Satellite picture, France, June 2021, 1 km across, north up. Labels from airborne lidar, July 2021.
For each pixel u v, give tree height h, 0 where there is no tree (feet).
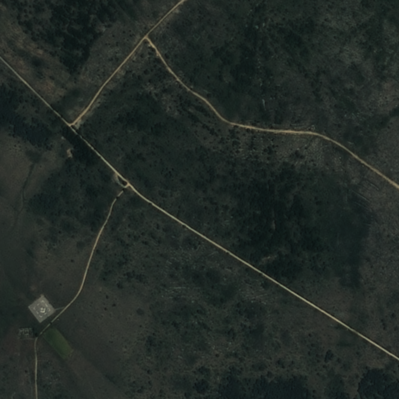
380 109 0
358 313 0
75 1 22
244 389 22
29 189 0
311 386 0
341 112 0
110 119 0
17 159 0
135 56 0
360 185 0
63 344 0
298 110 0
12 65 0
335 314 0
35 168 0
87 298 0
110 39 0
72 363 0
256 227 24
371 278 0
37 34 18
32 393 0
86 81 0
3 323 0
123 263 21
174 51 0
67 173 22
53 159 0
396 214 0
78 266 0
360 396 19
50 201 24
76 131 28
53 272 0
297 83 0
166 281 0
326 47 0
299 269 19
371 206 0
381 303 0
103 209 0
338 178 0
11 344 0
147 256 20
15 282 0
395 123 0
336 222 0
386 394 35
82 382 0
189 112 19
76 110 0
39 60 0
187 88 0
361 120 0
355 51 0
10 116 40
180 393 0
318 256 25
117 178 0
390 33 0
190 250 0
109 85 0
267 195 29
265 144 0
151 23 0
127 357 0
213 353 0
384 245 0
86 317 0
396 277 0
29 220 0
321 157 0
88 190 25
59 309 0
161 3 0
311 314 0
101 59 0
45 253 0
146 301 0
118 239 18
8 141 0
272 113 0
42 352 0
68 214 25
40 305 0
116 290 0
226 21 0
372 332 0
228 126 0
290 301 0
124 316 0
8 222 0
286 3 0
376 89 0
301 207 28
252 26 19
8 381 0
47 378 0
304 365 0
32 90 0
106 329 0
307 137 0
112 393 0
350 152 0
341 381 31
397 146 0
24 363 0
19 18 22
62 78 0
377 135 0
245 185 22
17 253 0
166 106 0
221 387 19
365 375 23
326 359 29
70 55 20
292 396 46
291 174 20
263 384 40
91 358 0
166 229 29
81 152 33
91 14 21
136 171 17
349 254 0
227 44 25
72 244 0
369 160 0
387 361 0
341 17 0
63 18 25
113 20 20
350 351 0
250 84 19
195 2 0
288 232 27
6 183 0
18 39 0
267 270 22
